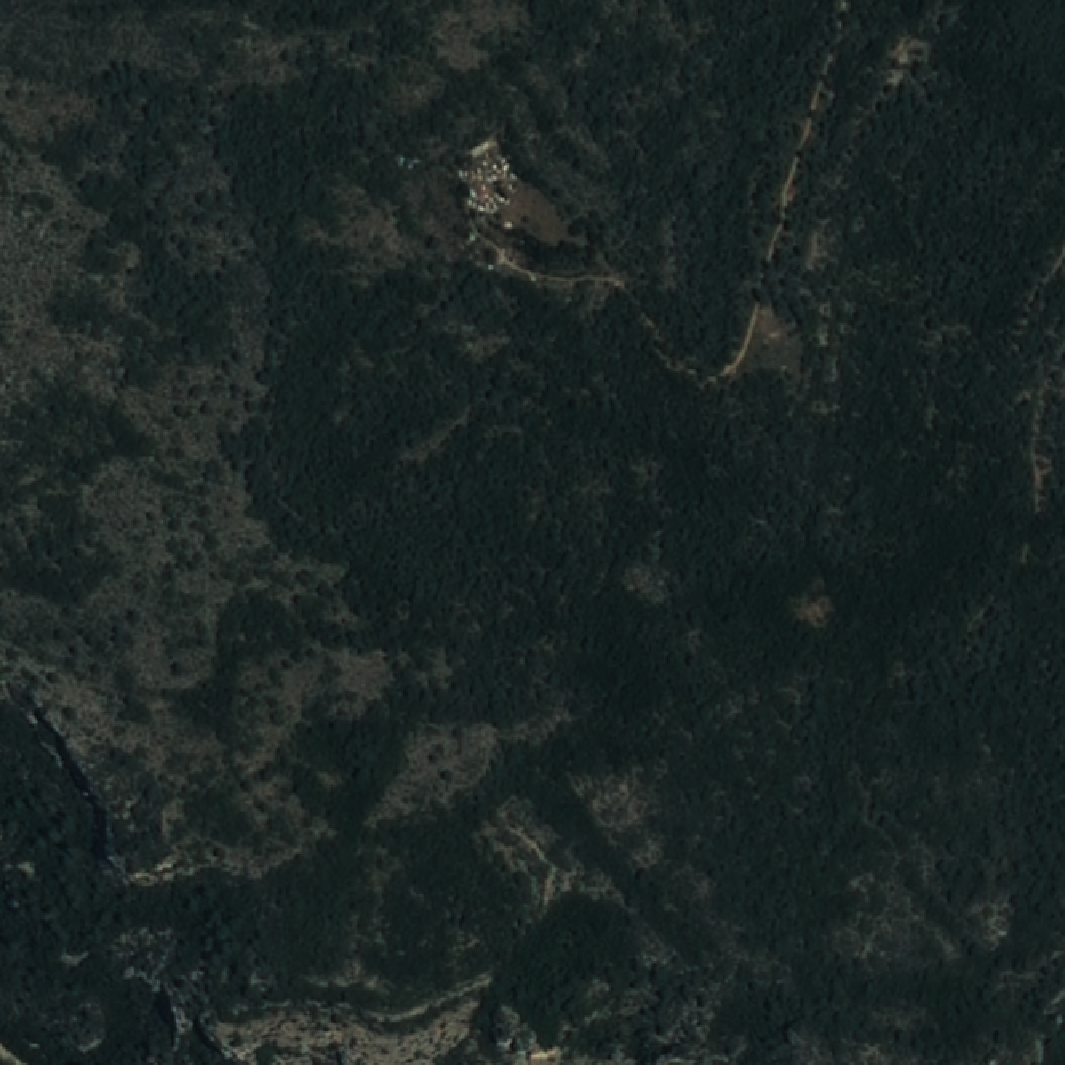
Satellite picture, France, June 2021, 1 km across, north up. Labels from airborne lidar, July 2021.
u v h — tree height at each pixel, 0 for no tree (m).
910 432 6
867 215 6
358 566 11
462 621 8
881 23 7
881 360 10
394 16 6
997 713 15
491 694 10
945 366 9
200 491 8
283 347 10
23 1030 10
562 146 6
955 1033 6
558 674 7
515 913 6
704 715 13
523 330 8
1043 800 14
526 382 11
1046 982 15
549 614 10
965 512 11
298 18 10
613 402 13
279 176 14
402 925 6
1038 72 14
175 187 17
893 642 10
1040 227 8
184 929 7
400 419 7
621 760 6
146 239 6
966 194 17
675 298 9
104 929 10
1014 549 10
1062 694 6
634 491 8
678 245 11
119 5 5
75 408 6
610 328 7
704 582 8
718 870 9
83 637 8
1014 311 9
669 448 10
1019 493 7
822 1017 15
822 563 12
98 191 6
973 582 7
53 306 7
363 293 6
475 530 10
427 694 15
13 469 7
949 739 6
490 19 0
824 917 6
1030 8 12
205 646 11
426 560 15
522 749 7
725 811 10
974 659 13
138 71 17
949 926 6
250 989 16
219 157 14
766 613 11
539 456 12
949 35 8
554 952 12
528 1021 12
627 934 7
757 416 7
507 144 8
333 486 11
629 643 10
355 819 7
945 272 14
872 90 7
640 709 7
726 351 15
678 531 7
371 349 10
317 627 7
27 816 7
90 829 11
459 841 6
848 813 17
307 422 8
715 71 6
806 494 12
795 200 6
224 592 0
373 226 0
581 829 7
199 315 7
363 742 13
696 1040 15
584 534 6
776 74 9
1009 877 14
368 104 6
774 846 8
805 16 9
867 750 8
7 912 8
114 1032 13
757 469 8
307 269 12
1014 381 10
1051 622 7
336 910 12
